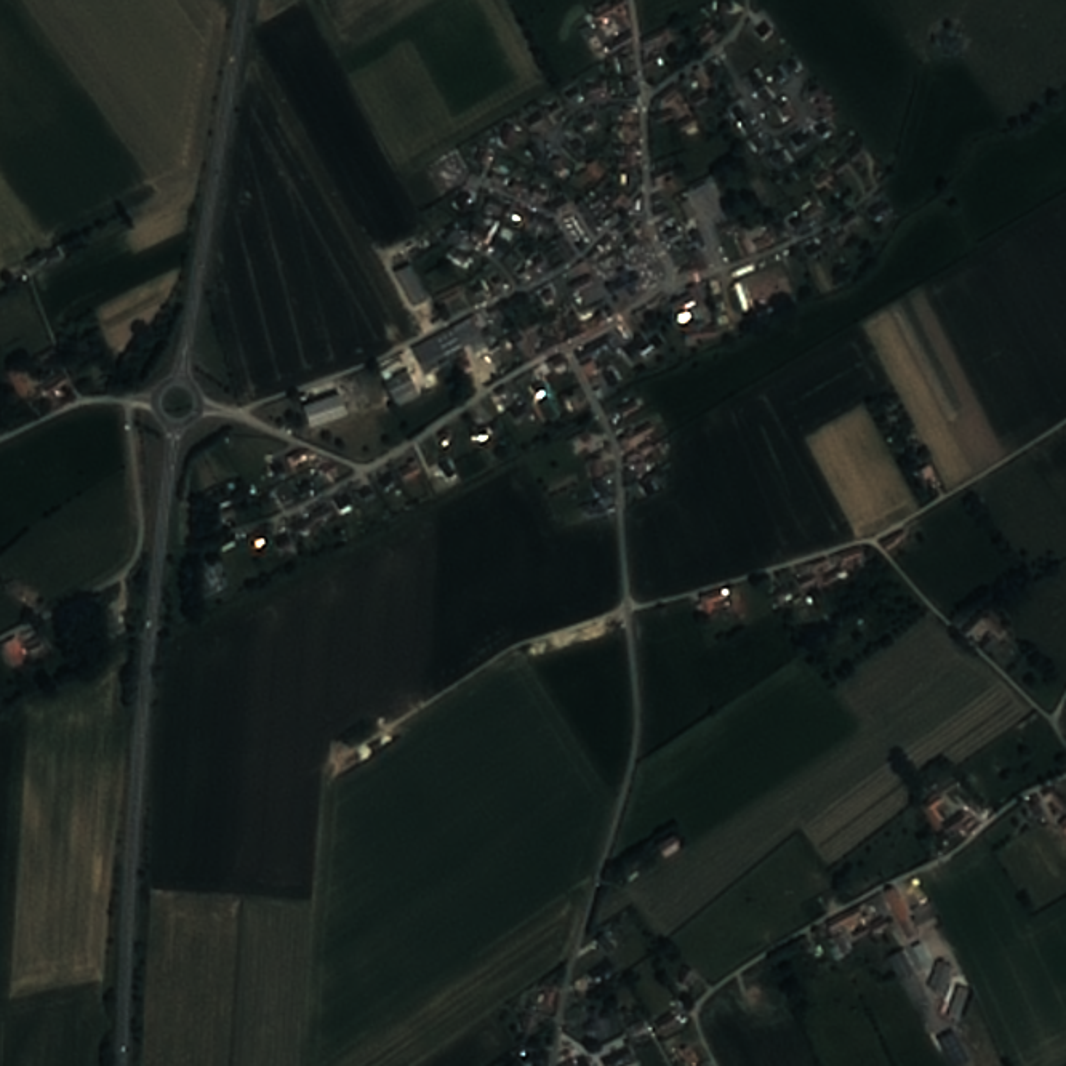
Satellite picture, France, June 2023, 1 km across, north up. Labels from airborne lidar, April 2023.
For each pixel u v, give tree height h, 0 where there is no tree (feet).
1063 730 0
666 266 0
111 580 0
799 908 0
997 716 0
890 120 0
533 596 0
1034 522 0
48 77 0
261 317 0
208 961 0
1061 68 0
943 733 0
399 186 0
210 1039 0
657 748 0
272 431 0
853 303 0
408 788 0
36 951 0
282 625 0
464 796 0
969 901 0
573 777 0
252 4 0
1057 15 0
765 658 0
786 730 0
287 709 0
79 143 0
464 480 0
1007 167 0
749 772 0
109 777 0
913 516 0
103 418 0
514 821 0
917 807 23
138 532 0
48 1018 0
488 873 0
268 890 0
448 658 0
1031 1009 0
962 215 0
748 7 0
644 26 0
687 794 0
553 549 0
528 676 0
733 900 0
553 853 0
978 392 0
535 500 0
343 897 0
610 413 0
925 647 0
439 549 0
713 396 0
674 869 0
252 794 0
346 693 0
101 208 0
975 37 0
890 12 0
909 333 0
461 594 0
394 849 0
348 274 0
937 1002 0
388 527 0
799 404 0
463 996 0
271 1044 0
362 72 0
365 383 0
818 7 0
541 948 0
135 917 0
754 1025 0
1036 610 0
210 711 0
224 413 0
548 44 0
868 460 0
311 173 0
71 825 0
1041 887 0
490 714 0
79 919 0
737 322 0
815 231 0
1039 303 0
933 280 0
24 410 24
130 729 0
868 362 0
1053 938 0
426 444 0
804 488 0
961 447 0
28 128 0
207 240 0
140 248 0
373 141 0
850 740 0
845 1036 0
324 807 0
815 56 0
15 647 0
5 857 0
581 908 0
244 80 0
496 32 0
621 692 0
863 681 0
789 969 32
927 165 0
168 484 0
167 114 0
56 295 0
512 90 0
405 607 0
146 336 50
